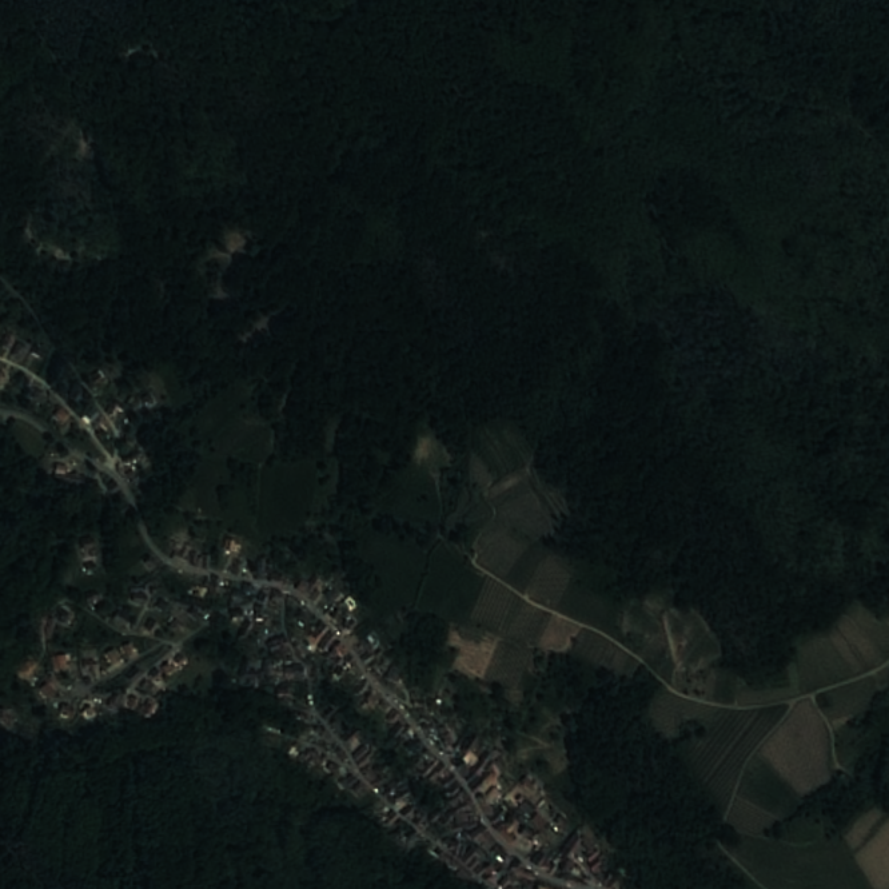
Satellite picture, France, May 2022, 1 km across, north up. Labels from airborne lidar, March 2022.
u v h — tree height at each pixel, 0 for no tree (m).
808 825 0
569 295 20
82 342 11
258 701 8
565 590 0
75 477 0
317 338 15
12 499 25
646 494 18
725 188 17
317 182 24
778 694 0
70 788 23
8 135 11
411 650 13
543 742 0
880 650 0
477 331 13
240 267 22
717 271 17
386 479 17
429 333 20
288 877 22
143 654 0
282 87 30
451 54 17
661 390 19
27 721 0
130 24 22
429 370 25
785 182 20
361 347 19
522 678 0
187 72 17
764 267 20
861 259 24
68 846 21
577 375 20
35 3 25
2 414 0
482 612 0
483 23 22
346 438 13
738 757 0
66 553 20
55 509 21
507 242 9
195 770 26
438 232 16
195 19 26
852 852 0
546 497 0
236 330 17
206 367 19
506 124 15
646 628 0
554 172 17
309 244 21
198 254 12
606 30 19
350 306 19
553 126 16
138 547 0
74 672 0
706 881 8
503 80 18
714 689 0
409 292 21
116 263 20
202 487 0
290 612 7
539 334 19
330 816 18
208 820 27
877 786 14
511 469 0
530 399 12
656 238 21
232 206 19
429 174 18
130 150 19
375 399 15
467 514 0
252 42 25
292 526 0
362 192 20
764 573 18
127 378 19
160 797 26
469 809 0
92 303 17
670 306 22
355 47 30
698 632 0
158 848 24
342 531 15
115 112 8
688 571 17
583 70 21
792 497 19
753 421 19
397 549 0
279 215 27
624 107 22
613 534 19
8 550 23
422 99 19
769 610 12
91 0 25
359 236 14
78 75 18
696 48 27
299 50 29
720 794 0
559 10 22
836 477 25
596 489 19
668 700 0
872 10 26
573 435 19
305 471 0
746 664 8
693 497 12
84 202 13
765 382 27
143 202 21
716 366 25
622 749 11
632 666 0
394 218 15
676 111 18
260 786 19
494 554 0
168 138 21
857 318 25
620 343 22
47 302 18
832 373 21
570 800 14
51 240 7
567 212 12
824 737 0
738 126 25
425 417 16
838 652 0
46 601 21
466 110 15
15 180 20
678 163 21
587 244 17
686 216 18
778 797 0
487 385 18
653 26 22
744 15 23
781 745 0
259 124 17
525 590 0
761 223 16
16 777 26
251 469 5
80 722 0
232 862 20
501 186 12
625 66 12
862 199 25
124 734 10
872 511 7
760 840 0
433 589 0
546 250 16
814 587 16
